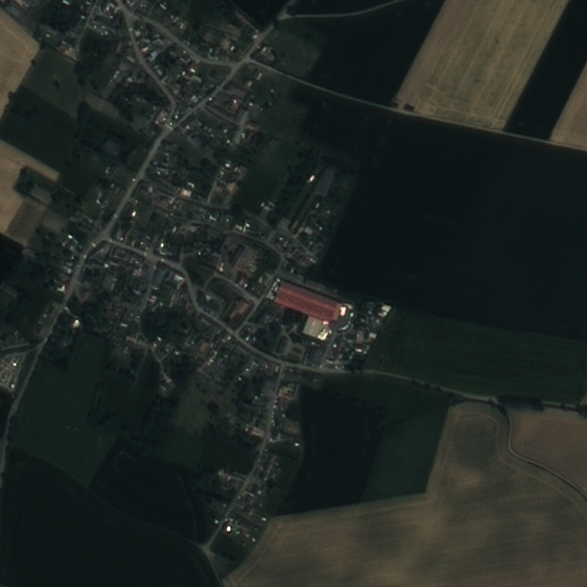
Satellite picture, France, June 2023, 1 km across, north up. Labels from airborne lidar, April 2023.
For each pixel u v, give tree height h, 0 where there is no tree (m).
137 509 0
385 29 0
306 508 0
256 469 0
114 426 0
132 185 0
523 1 0
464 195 0
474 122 0
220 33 0
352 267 0
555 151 0
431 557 0
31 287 0
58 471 0
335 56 0
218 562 0
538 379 0
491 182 0
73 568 0
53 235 10
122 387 0
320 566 0
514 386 0
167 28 0
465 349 0
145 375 0
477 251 0
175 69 0
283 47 0
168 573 0
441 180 0
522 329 0
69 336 13
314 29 0
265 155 0
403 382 0
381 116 0
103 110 0
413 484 0
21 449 0
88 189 0
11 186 0
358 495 0
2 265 0
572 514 0
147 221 0
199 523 0
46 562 0
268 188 0
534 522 0
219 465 0
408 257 0
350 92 0
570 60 0
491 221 0
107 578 0
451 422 0
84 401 0
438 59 0
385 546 0
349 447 0
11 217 0
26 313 0
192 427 0
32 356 0
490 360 0
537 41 0
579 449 0
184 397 0
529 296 0
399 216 0
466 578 0
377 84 0
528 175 0
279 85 0
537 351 0
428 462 0
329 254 0
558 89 0
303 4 0
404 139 0
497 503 0
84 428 0
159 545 0
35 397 0
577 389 0
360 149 0
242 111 0
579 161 0
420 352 0
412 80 0
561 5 0
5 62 0
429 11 0
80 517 0
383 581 0
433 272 0
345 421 0
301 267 0
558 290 0
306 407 0
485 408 0
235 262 0
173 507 0
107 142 0
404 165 0
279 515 0
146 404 0
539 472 0
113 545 0
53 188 0
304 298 0
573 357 0
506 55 0
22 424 0
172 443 0
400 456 0
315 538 0
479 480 0
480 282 0
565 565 0
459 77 0
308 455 0
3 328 0
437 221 0
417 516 0
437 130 0
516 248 0
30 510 0
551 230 0
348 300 0
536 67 0
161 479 0
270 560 0
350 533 0
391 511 0
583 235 0
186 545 0
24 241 0
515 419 0
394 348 0
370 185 0
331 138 0
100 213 0
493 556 0
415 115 0
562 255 0
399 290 0
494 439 0
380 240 0
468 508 0
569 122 0
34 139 0
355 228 0
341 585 0
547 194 0
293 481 0
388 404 0
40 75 0
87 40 0
